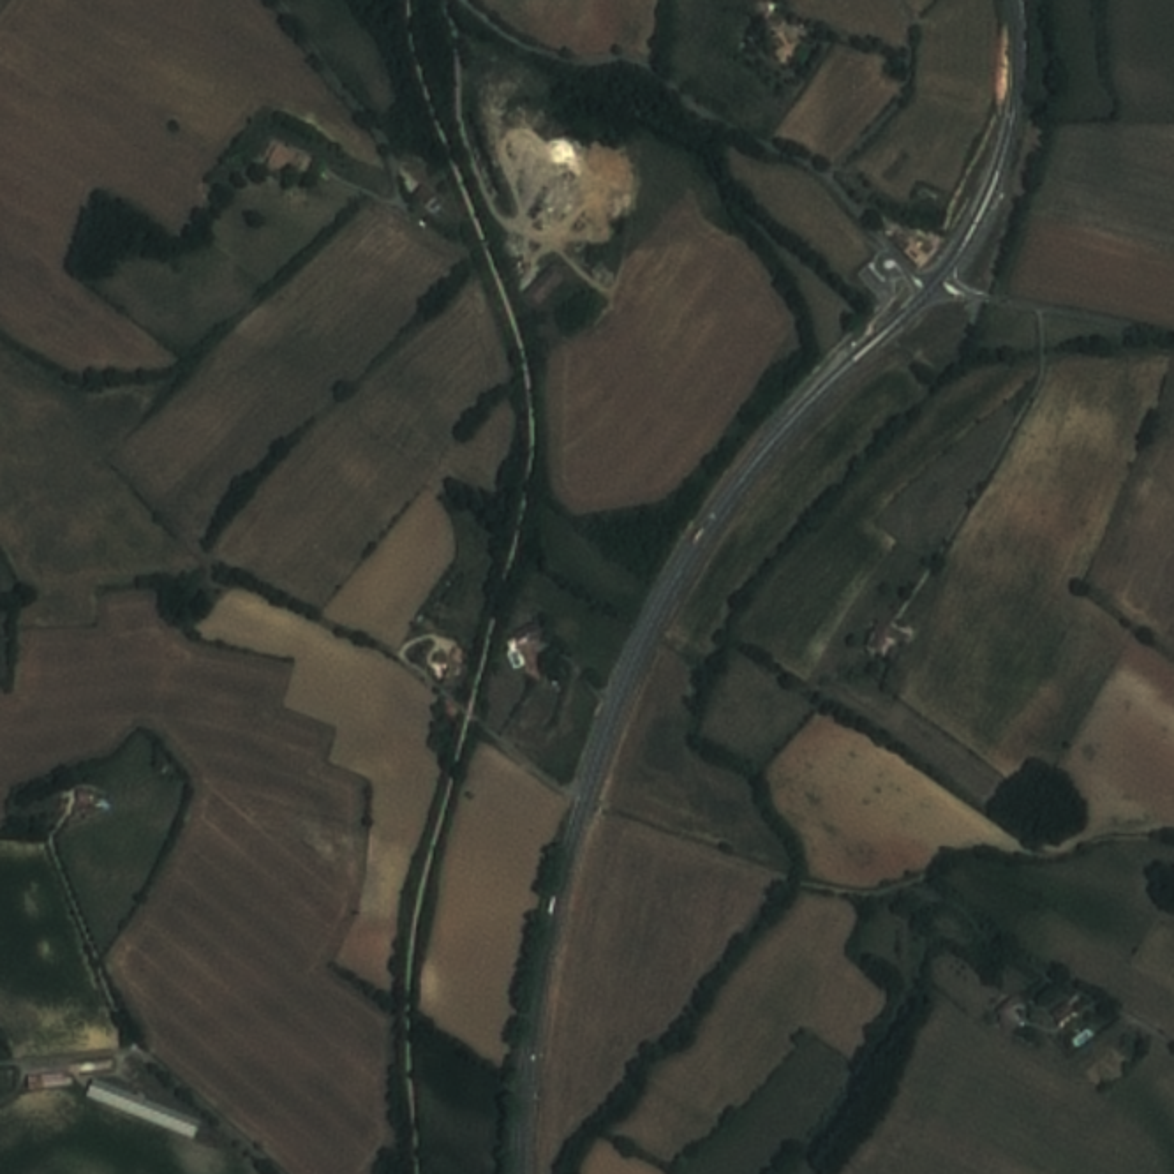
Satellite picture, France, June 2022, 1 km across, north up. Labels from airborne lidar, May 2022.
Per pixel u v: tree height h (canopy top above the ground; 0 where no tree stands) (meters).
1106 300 0
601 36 0
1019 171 0
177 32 0
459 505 12
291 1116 0
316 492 0
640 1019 0
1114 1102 0
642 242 0
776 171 0
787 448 0
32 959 0
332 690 0
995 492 0
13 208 0
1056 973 16
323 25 0
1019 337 0
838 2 0
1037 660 0
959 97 0
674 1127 0
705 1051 0
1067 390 0
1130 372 0
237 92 0
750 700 0
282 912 0
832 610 0
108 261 16
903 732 0
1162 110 0
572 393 0
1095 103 0
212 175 7
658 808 0
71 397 0
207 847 0
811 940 0
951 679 0
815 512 14
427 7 13
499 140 0
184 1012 0
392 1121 11
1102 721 0
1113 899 0
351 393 14
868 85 0
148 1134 0
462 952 0
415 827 0
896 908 13
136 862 0
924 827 0
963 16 0
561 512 6
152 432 0
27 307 0
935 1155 0
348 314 0
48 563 0
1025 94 7
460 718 6
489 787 0
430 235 0
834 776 0
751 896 0
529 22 0
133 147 0
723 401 0
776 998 0
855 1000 0
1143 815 0
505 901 0
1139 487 0
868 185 8
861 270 0
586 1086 0
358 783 0
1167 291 0
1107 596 0
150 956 0
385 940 0
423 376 0
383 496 0
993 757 0
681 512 7
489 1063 12
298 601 11
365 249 0
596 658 0
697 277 0
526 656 0
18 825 12
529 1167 0
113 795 0
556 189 0
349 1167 0
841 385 0
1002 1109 0
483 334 0
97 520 0
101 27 0
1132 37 0
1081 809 12
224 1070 0
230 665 0
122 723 0
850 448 0
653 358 0
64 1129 0
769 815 11
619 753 0
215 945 0
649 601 0
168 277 0
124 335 0
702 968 0
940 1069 0
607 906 0
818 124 0
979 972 8
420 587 0
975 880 0
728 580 0
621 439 0
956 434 0
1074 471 0
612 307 0
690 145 19
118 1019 13
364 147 0
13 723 0
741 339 0
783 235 27
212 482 0
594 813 0
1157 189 0
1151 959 0
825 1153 19
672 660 0
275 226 0
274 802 0
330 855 0
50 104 0
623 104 12
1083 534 0
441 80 14
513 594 14
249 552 0
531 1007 24
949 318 0
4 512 0
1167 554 0
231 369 0
